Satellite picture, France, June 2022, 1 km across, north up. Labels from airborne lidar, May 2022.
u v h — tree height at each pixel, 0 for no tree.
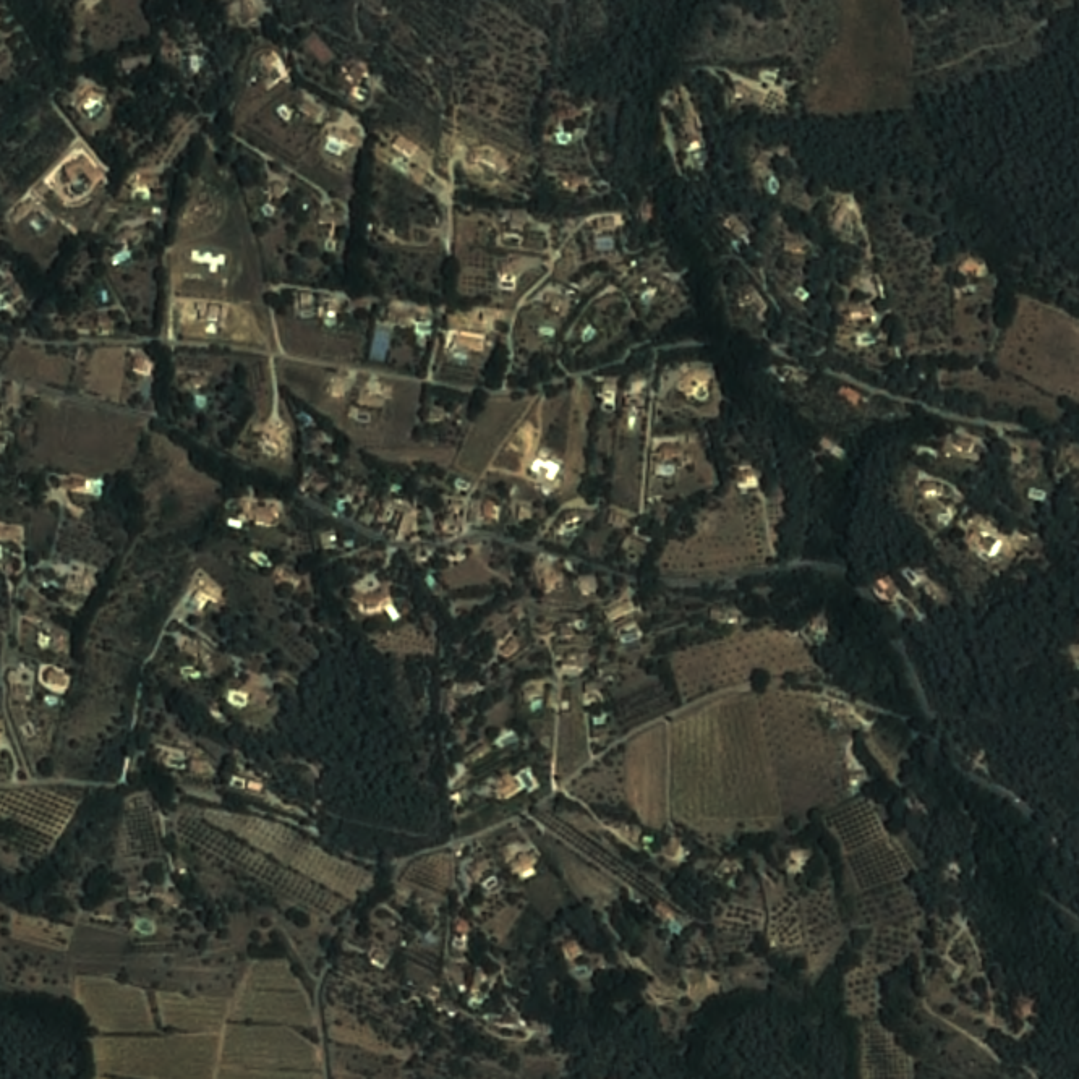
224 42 8
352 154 0
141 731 13
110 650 9
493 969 11
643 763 0
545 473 0
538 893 0
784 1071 16
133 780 13
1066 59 15
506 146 0
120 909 14
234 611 18
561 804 15
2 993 8
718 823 0
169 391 15
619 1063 20
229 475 12
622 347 6
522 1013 9
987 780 8
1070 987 20
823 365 13
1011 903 20
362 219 14
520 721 10
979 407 17
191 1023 0
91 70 14
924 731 18
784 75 7
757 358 14
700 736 0
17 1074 18
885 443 21
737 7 15
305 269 16
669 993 0
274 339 0
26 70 7
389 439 0
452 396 12
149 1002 0
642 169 15
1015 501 21
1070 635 22
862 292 9
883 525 19
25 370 0
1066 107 16
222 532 6
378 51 6
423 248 0
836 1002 8
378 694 7
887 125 21
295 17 6
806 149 18
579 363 7
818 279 20
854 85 0
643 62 19
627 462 0
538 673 7
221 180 0
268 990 0
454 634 12
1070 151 17
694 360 13
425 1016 9
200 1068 0
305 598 12
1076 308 12
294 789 18
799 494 21
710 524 0
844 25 0
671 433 7
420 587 9
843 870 11
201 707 18
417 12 6
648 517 7
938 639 20
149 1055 0
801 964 12
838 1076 18
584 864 6
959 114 15
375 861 7
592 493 8
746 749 0
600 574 8
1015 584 9
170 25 12
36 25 12
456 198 12
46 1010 18
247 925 0
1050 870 19
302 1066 0
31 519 8
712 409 0
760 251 21
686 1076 15
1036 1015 8
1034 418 16
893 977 20
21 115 16
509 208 13
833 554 18
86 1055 17
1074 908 15
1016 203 7
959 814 23
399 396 0
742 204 18
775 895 0
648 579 13
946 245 20
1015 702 15
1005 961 11
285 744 19
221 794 7
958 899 16
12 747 0
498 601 9
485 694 9
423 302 13
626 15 20
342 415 0
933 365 13
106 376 0
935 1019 0
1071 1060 16
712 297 20
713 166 8
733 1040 16
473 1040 8
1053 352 0
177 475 0
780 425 19
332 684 22
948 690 18
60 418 0
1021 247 17
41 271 14
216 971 0
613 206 18
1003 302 16
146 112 10
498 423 0
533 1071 0
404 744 12
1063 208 7
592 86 20
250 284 0
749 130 18
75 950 0
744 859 8
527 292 0
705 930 6
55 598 10
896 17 0
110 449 0
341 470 9
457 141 0
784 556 13
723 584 6
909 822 19
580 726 0
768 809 0
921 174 20
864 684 21
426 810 15
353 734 22
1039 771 14
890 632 24
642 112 19
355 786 16
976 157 6
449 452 0
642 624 6
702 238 7
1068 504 22
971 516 6
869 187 22
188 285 0
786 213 14
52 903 9
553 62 6
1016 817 15
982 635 19
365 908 10
